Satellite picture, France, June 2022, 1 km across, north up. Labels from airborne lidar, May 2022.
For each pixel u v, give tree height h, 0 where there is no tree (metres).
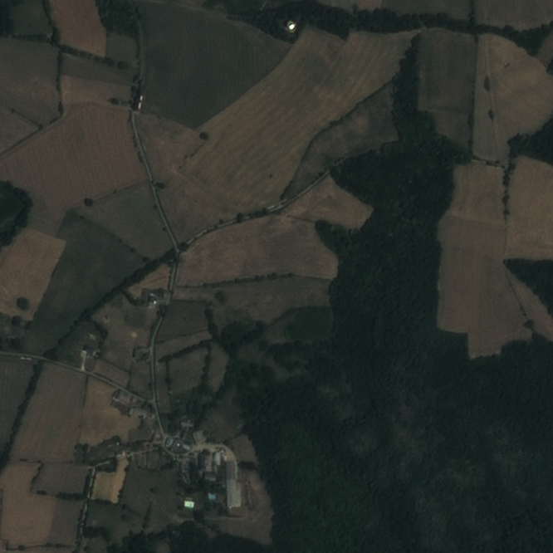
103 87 0
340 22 7
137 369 0
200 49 0
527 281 10
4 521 0
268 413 19
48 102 0
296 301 0
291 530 10
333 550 12
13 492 0
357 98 0
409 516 16
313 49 0
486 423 6
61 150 0
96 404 0
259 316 0
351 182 17
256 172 0
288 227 0
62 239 0
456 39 0
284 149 0
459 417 11
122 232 0
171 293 8
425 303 12
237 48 0
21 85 0
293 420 15
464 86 0
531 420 12
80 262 0
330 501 12
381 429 12
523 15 0
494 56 0
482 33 6
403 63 13
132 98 7
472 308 0
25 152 0
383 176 18
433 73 0
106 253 0
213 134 0
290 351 14
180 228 0
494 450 6
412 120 15
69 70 0
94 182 0
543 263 9
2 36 16
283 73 0
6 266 0
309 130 0
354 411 7
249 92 0
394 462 7
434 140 17
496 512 14
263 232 0
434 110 0
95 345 0
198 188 0
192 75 0
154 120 0
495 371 15
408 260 13
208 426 0
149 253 0
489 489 17
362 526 9
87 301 0
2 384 0
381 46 0
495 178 0
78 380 0
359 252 13
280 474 15
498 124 0
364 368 9
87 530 10
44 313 0
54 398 0
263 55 0
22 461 6
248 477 0
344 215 0
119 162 0
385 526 10
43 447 0
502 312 0
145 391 0
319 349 8
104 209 0
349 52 0
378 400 13
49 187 0
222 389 12
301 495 9
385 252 24
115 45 0
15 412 0
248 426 13
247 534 0
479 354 0
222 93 0
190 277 0
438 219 13
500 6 0
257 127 0
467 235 0
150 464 0
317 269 0
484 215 0
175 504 0
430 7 0
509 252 0
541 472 5
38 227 0
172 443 0
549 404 15
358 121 0
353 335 18
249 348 0
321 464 11
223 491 6
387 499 12
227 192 0
